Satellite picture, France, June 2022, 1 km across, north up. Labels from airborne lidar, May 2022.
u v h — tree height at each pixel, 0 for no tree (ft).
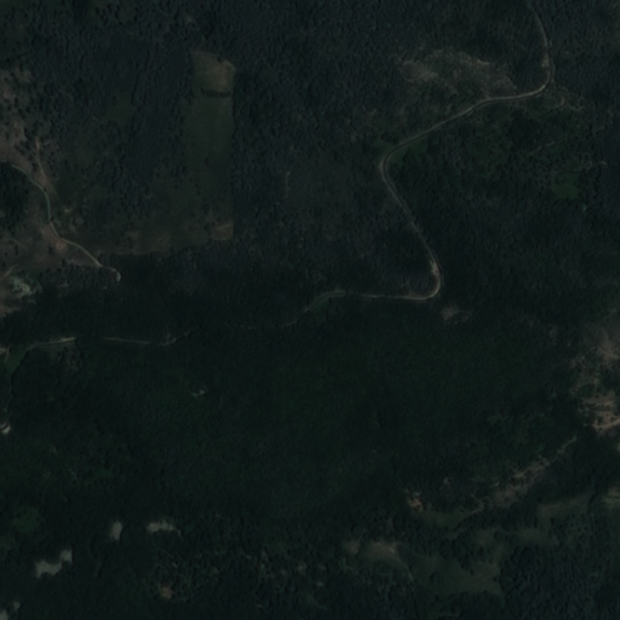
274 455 52
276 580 57
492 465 20
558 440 33
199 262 28
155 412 40
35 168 37
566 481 50
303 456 49
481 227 28
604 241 48
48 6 42
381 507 70
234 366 51
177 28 36
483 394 48
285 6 44
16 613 33
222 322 49
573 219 30
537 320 25
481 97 40
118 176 35
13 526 30
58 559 26
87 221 24
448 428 52
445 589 0
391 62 32
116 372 46
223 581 57
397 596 53
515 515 47
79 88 59
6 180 41
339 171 0
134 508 56
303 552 43
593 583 55
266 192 18
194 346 69
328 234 29
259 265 31
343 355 60
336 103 33
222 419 49
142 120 23
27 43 22
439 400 39
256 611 76
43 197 0
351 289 33
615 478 60
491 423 36
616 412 23
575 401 31
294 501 53
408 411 44
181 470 50
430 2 45
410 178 48
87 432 46
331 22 48
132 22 34
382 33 47
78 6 61
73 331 40
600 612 39
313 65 34
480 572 0
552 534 24
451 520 0
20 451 34
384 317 52
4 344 25
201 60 0
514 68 35
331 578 43
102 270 22
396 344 49
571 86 53
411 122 23
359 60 32
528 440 29
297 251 31
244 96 42
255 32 43
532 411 42
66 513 72
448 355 37
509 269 31
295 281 39
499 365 50
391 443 73
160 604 84
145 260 18
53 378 54
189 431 39
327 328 67
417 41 30
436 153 41
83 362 31
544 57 42
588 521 28
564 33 56
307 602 38
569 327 21
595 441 45
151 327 42
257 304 39
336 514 67
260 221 32
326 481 57
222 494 64
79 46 20
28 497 57
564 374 38
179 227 0
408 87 24
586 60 47
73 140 24
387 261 42
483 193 34
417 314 44
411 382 43
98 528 64
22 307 21
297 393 43
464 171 45
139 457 67
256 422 38
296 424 40
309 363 47
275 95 33
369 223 21
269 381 47
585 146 32
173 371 43
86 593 59
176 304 39
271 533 18
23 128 0
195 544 67
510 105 28
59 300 40
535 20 47
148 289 26
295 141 26
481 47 20
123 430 61
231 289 30
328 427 45
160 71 34
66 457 51
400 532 38
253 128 28
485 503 25
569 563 54
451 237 44
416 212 35
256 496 58
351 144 24
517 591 27
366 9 43
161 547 53
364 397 60
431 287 32
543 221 30
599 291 20
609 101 27
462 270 44
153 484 78
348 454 50
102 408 73
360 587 53
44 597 50
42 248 0
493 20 31
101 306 37
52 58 33
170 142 29
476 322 41
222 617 58
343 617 58
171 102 30
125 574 57
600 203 46
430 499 46
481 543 0
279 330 51
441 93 26
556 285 25
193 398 47
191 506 64
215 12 28
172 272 35
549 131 53
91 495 61
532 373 40
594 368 20
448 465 70
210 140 0
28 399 37
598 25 50
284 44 22
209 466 34
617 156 43
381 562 21
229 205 0
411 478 55
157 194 0
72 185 0
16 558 50
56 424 53
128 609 62
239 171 21
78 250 0
